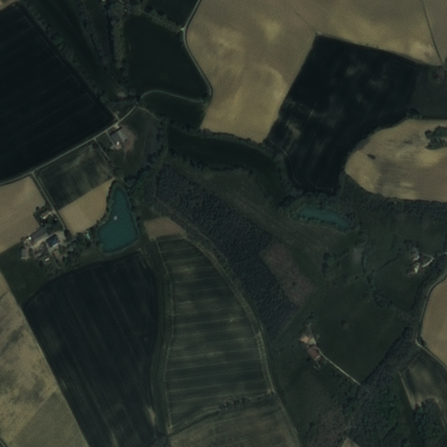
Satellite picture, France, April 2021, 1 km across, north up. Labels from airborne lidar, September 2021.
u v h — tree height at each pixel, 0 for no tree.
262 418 0
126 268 0
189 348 0
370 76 0
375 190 0
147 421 0
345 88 0
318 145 0
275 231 0
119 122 0
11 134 0
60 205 0
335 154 0
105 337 0
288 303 9
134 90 15
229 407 14
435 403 16
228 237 11
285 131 0
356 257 0
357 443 11
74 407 0
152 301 0
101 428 0
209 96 9
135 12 24
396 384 22
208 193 12
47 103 0
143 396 0
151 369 0
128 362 0
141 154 0
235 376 0
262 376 0
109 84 0
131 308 0
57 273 12
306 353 6
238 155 0
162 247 0
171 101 0
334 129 0
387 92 0
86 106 0
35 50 0
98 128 0
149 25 0
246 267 9
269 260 9
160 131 15
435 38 0
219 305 0
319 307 0
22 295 0
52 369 0
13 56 0
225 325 0
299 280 13
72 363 0
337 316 0
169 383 0
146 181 23
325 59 0
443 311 0
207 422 0
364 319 0
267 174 0
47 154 0
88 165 0
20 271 0
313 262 0
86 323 0
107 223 0
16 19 0
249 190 0
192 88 0
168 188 12
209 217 12
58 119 0
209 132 16
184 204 11
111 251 0
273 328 10
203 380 0
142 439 0
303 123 0
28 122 0
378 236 0
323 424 6
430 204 10
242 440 0
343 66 0
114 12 26
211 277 0
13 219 0
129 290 0
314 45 0
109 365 0
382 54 0
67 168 0
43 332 0
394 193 0
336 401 10
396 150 0
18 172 0
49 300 0
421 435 11
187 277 0
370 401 21
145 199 21
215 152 0
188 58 0
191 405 0
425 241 0
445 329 0
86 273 0
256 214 0
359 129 0
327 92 0
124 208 0
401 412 21
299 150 0
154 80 0
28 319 0
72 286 0
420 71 0
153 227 0
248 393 0
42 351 0
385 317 0
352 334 0
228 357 0
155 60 0
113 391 0
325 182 0
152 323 0
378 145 0
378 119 0
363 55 0
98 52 16
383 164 0
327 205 27
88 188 0
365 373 0
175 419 0
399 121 9
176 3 0
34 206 0
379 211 6
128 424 0
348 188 8
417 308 9
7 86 0
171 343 0
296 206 29
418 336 6
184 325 0
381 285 0
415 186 0
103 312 0
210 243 10
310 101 0
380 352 0
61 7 0
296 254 0
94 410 0
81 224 0
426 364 0
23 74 0
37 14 14
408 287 0
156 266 0
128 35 0
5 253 0
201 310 0
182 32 9
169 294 0
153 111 13
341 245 0
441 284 0
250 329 0
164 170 9
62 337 0
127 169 0
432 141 0
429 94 0
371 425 8
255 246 11
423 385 0
